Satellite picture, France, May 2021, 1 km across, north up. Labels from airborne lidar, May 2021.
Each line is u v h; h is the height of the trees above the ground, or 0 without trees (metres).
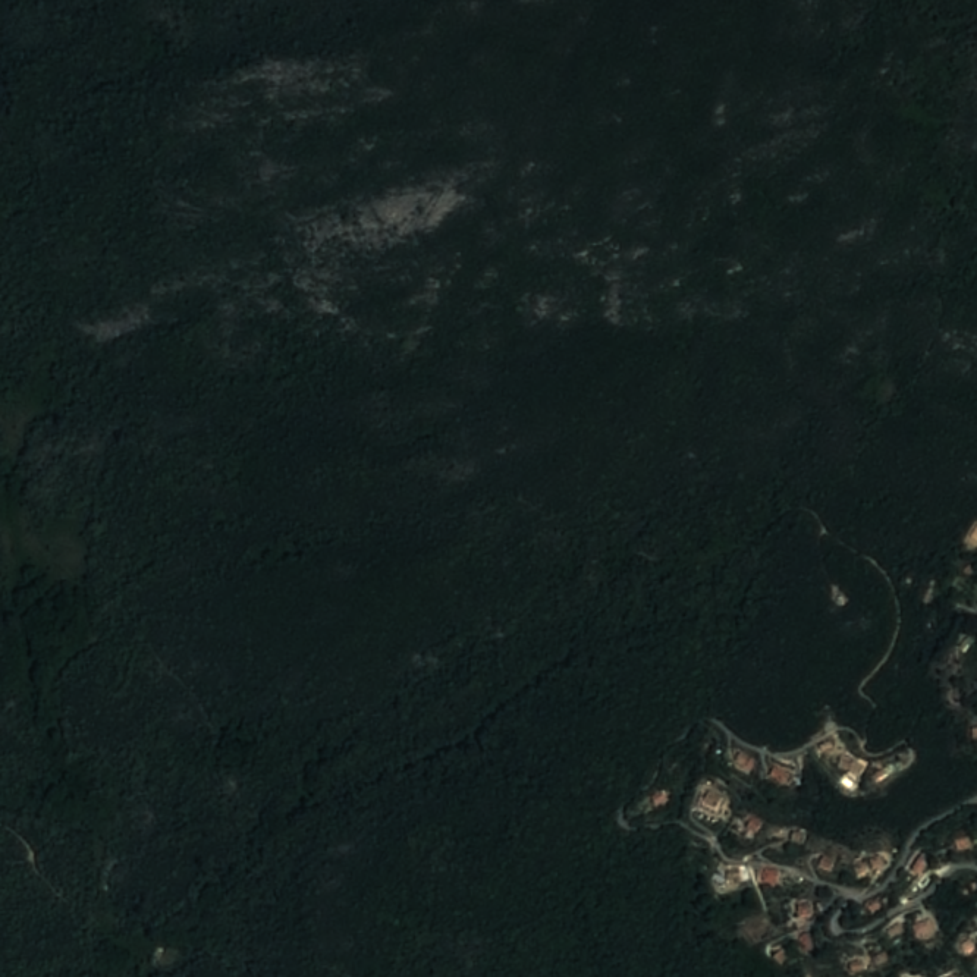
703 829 0
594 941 6
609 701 9
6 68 8
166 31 8
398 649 6
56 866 7
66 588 11
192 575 9
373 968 6
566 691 14
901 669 8
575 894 10
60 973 6
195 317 6
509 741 10
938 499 6
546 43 6
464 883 6
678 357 6
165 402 7
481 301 6
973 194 7
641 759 8
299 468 6
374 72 5
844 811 7
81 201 6
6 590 7
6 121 5
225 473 10
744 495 7
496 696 17
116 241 6
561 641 11
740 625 14
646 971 8
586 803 7
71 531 0
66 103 8
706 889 13
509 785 9
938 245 7
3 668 6
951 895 12
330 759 17
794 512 5
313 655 6
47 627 23
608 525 10
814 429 9
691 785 8
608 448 6
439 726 6
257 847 22
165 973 11
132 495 7
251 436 7
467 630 6
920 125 6
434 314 6
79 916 8
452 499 6
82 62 7
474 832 6
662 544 6
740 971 13
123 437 20
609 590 9
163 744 10
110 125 6
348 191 6
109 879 9
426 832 6
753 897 12
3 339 7
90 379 9
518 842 10
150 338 8
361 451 6
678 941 7
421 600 7
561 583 6
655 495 6
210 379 7
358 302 6
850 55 6
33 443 9
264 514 6
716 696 7
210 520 13
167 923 17
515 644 10
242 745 17
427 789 13
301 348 7
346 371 5
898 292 6
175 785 5
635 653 8
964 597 7
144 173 7
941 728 11
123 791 9
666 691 8
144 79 7
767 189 6
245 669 6
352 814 11
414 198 0
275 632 6
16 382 11
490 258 6
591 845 10
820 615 6
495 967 10
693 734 13
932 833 13
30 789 9
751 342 5
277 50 6
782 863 0
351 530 8
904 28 6
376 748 13
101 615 7
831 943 8
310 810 23
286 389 8
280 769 9
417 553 7
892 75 8
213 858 7
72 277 6
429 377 6
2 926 6
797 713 7
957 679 15
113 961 22
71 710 7
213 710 8
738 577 7
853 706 10
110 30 8
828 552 6
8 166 6
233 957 14
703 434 7
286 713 9
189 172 6
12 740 6
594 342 5
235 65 10
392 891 8
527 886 8
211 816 6
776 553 8
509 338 7
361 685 6
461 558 8
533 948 7
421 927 10
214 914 21
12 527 0
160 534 8
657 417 6
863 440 9
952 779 6
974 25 7
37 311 13
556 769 7
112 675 6
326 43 7
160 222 5
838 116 9
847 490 6
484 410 5
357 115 5
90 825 11
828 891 13
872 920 11
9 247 9
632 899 8
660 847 7
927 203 6
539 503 6
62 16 9
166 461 7
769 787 6
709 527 9
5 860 7
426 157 5
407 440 6
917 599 7
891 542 6
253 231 8
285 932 10
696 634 9
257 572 6
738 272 5
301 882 8
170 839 11
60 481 6
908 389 7
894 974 9
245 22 6
